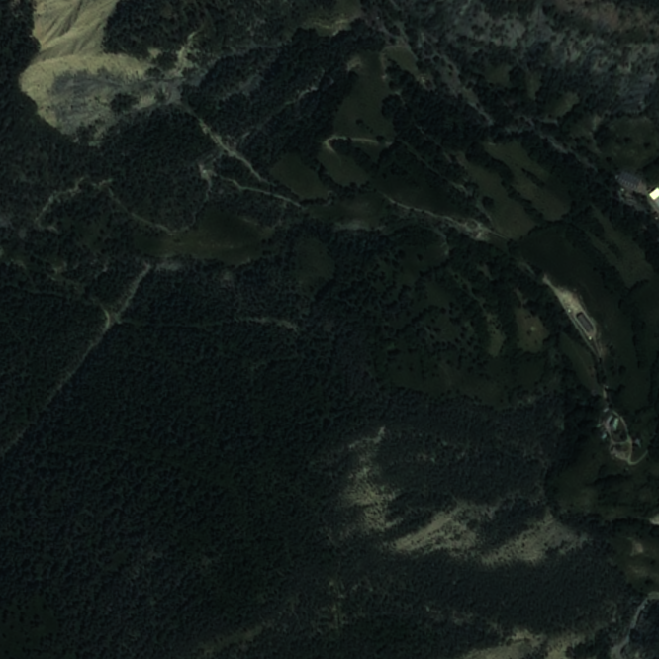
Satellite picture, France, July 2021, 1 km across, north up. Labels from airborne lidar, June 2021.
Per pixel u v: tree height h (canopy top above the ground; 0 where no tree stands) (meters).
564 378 11
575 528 10
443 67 7
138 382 10
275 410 10
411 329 12
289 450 10
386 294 11
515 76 23
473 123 20
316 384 9
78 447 11
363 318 17
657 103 8
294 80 18
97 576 16
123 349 9
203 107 16
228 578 10
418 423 12
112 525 16
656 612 10
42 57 0
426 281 11
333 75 12
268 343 9
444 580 11
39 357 9
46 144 9
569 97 0
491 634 9
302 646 13
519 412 7
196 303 11
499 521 6
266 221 8
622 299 7
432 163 16
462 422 9
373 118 0
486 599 11
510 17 7
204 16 14
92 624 18
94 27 0
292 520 10
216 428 13
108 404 12
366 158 19
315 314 13
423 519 11
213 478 10
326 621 13
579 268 0
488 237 0
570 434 18
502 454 10
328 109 15
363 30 13
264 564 10
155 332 14
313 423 12
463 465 9
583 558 8
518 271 15
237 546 10
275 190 11
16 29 12
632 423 8
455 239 15
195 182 9
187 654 10
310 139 17
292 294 13
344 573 9
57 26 0
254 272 9
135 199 9
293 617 9
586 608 12
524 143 11
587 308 0
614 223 15
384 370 11
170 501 14
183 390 14
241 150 5
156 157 8
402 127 19
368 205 0
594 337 0
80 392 11
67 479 17
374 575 10
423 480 9
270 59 9
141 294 10
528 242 0
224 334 11
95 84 0
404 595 10
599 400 10
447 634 10
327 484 11
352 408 15
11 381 8
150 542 7
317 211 0
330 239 24
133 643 13
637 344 16
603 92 6
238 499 13
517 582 12
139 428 9
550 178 0
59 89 0
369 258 22
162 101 9
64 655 6
